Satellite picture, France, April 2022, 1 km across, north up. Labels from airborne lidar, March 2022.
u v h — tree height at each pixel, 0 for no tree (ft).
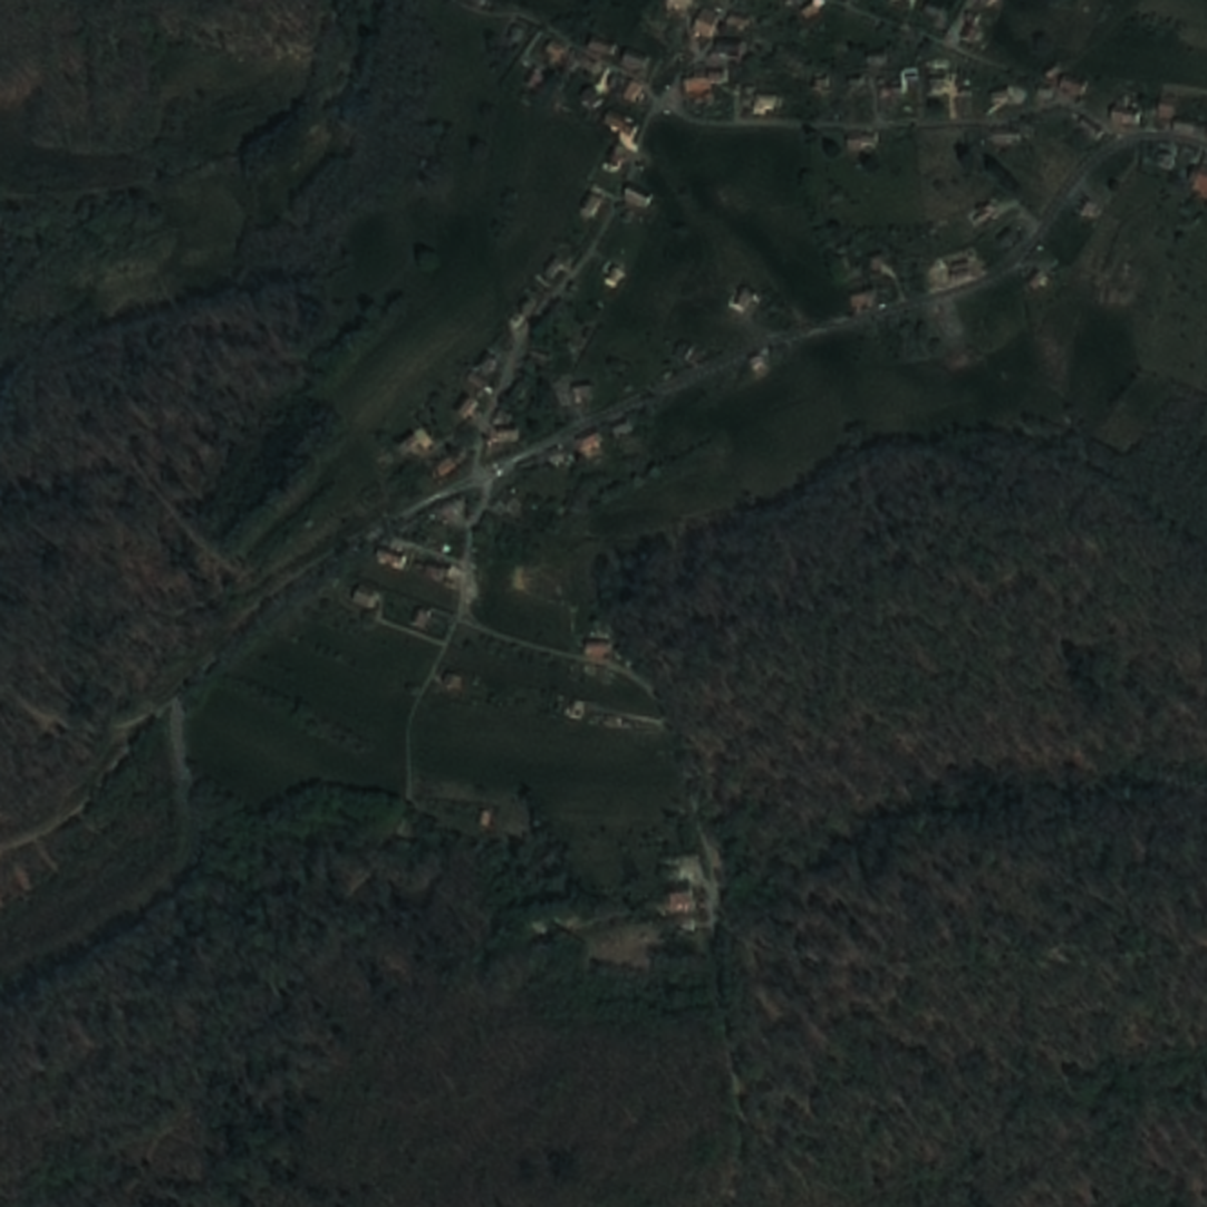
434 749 0
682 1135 65
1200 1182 87
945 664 62
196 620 79
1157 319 0
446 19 0
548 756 0
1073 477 96
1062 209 0
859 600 62
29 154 0
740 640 73
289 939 77
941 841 84
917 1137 76
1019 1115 78
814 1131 80
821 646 67
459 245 0
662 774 0
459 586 0
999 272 0
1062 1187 89
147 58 60
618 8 22
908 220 0
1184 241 42
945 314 0
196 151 31
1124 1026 71
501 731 0
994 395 0
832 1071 78
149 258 0
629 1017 52
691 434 0
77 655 77
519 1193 58
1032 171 0
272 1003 77
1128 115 0
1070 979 71
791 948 83
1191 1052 78
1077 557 79
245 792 0
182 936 81
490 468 0
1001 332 0
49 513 83
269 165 59
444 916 48
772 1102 82
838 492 80
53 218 57
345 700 0
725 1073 57
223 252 0
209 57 37
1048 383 0
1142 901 85
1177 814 100
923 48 28
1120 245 0
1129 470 49
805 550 80
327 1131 28
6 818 79
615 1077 58
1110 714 64
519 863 53
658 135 0
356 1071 28
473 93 0
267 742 0
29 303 53
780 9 22
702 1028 59
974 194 0
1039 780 85
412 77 72
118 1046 85
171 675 59
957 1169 66
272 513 65
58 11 63
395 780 0
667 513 0
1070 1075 60
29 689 85
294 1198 33
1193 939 87
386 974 57
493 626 0
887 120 0
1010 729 88
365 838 68
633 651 61
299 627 0
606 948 0
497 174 0
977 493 80
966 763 97
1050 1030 78
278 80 0
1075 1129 77
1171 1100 85
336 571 44
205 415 84
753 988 82
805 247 0
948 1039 91
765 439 0
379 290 0
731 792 76
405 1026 51
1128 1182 74
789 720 61
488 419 0
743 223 0
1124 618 68
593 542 0
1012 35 0
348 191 64
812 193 33
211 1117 88
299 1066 89
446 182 53
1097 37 0
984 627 75
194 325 77
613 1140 47
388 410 0
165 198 0
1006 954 72
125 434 82
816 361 0
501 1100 49
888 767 85
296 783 0
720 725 73
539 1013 58
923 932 81
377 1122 23
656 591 95
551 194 0
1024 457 95
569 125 0
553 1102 56
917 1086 84
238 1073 89
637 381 0
